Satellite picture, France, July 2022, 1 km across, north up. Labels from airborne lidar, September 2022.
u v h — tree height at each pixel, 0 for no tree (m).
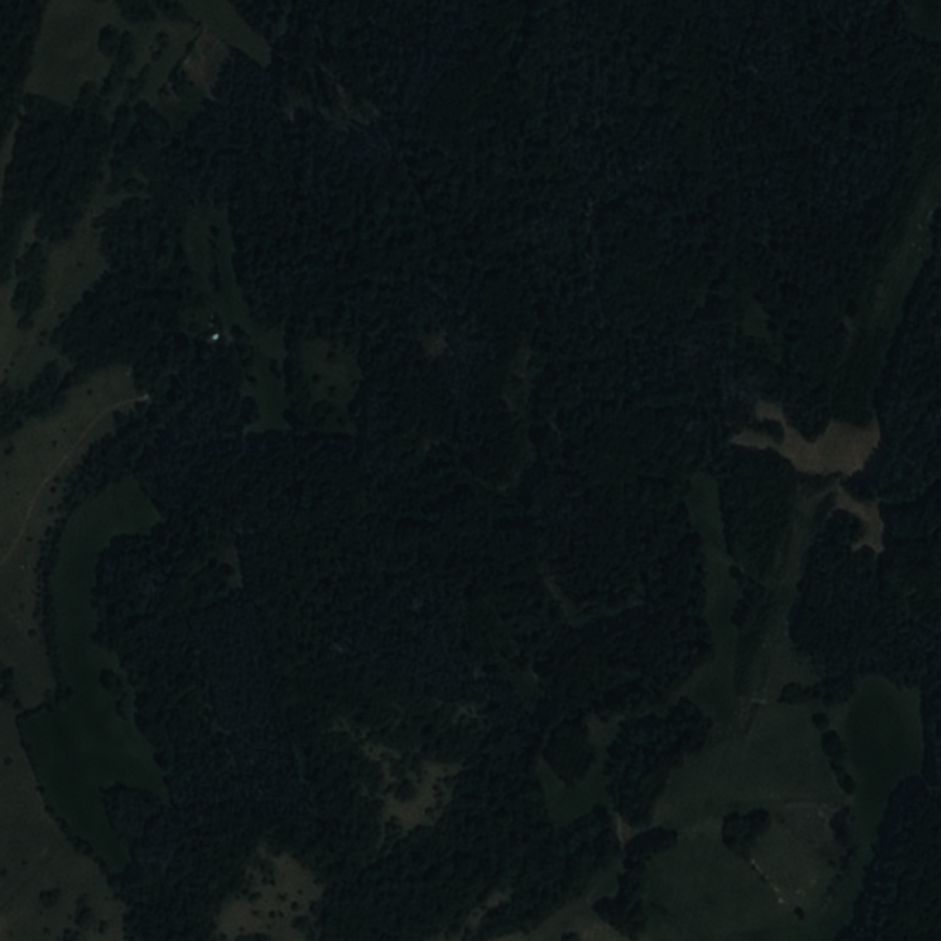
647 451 17
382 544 23
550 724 17
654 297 24
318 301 12
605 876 0
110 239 7
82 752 0
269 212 22
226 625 18
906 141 22
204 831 11
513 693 13
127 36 6
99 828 0
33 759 8
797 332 22
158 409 14
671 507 18
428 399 23
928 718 23
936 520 25
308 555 17
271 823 23
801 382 20
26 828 0
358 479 30
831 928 0
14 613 0
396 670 15
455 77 25
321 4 23
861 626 14
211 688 8
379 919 6
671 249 18
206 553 15
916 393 27
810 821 0
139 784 0
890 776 0
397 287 19
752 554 21
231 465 26
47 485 0
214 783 18
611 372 22
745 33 26
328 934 6
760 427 18
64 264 0
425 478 7
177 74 9
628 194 24
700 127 23
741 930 0
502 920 14
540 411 16
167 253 20
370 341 16
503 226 22
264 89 17
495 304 19
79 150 19
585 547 28
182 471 20
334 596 14
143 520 0
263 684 17
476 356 21
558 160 21
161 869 15
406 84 26
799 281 8
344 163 22
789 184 19
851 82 25
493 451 30
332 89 24
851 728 0
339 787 6
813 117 18
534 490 22
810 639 13
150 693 9
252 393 0
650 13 8
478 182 17
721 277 21
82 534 0
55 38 0
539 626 7
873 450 0
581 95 17
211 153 7
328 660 15
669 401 24
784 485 22
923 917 27
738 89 21
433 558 25
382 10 21
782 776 0
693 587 21
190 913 12
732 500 21
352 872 7
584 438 25
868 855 0
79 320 7
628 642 24
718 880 0
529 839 17
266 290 22
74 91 0
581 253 18
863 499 17
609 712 17
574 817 0
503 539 24
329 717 9
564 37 21
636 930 15
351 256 21
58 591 0
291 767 18
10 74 12
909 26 21
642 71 13
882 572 18
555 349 22
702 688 0
